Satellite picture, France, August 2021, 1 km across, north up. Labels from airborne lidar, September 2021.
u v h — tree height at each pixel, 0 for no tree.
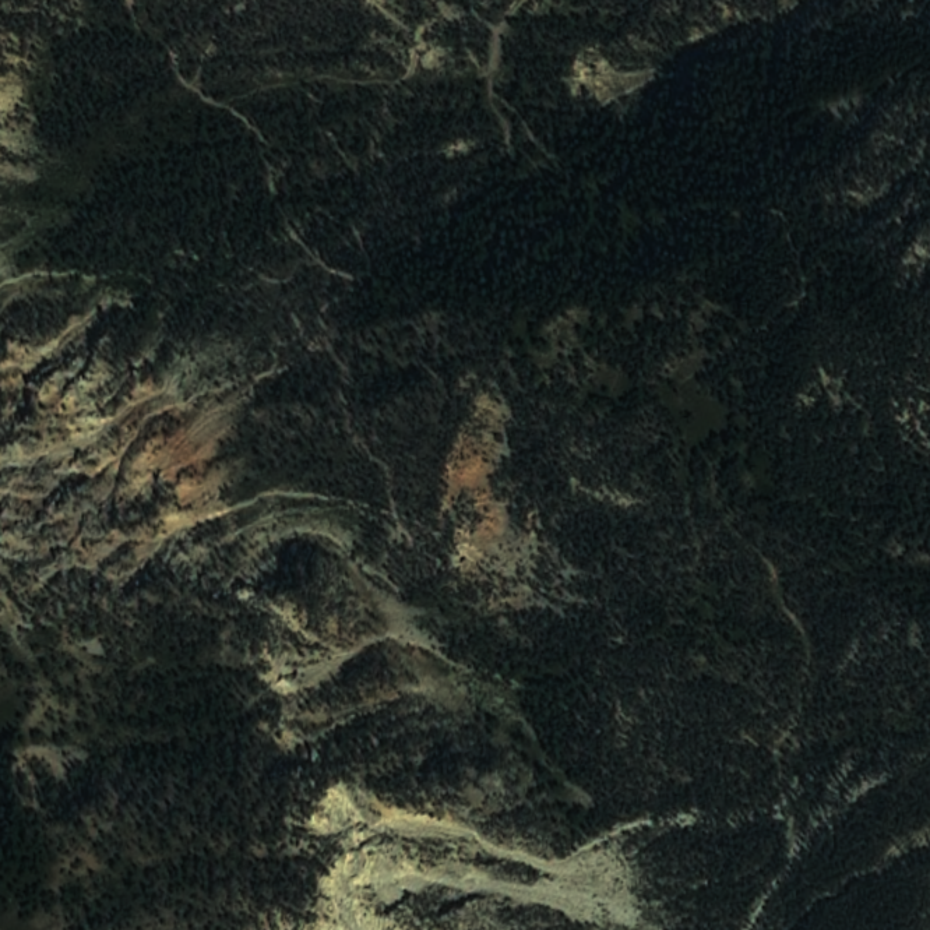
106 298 0
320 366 15
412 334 15
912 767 17
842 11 11
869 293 7
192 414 0
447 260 18
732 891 10
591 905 0
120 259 16
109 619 6
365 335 8
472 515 6
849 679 11
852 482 11
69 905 10
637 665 16
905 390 13
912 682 12
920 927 11
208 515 0
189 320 9
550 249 29
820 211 18
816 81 16
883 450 13
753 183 11
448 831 0
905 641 14
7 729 0
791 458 16
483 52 11
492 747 9
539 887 0
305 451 19
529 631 13
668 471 12
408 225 8
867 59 19
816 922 7
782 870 10
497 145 17
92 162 0
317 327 13
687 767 15
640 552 13
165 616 16
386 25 10
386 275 21
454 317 13
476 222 23
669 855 7
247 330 19
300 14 10
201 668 8
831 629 15
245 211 21
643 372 16
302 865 16
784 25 13
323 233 20
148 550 0
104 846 14
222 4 11
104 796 10
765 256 11
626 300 15
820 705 18
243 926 15
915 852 12
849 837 10
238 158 20
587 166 30
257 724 10
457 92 16
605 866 0
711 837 9
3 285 0
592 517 16
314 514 0
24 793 10
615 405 14
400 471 14
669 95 20
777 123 19
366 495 12
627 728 11
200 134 10
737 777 11
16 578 9
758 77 20
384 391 17
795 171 18
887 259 13
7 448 6
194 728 12
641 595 12
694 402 0
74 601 10
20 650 0
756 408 21
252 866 11
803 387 14
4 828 11
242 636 11
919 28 21
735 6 14
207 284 12
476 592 7
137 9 8
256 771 10
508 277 21
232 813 14
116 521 7
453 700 0
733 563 8
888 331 13
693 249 20
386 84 0
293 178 19
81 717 11
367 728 15
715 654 9
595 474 7
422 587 8
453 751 7
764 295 9
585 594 13
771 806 7
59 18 10
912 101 8
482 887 0
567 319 13
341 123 15
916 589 8
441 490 9
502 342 15
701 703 15
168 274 6
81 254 12
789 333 16
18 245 0
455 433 11
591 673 14
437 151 16
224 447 11
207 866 16
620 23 15
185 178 13
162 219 16
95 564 0
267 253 14
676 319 14
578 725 20
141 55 19
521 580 9
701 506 14
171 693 16
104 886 6
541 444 10
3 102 0
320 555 12
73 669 15
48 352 0
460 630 8
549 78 15
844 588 21
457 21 11
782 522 14
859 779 16
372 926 0
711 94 16
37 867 8
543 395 14
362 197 19
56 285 11
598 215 6
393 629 0
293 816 9
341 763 7
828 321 10
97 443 0
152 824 13
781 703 16
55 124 15
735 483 17
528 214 20
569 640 16
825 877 6
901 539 16
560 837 15
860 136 15
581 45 10
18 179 0
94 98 21
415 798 7
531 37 9
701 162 21
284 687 0
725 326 18
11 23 17
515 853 0
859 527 12
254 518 0
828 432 18
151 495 0
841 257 7
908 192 12
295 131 13
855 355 14
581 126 17
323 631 8
